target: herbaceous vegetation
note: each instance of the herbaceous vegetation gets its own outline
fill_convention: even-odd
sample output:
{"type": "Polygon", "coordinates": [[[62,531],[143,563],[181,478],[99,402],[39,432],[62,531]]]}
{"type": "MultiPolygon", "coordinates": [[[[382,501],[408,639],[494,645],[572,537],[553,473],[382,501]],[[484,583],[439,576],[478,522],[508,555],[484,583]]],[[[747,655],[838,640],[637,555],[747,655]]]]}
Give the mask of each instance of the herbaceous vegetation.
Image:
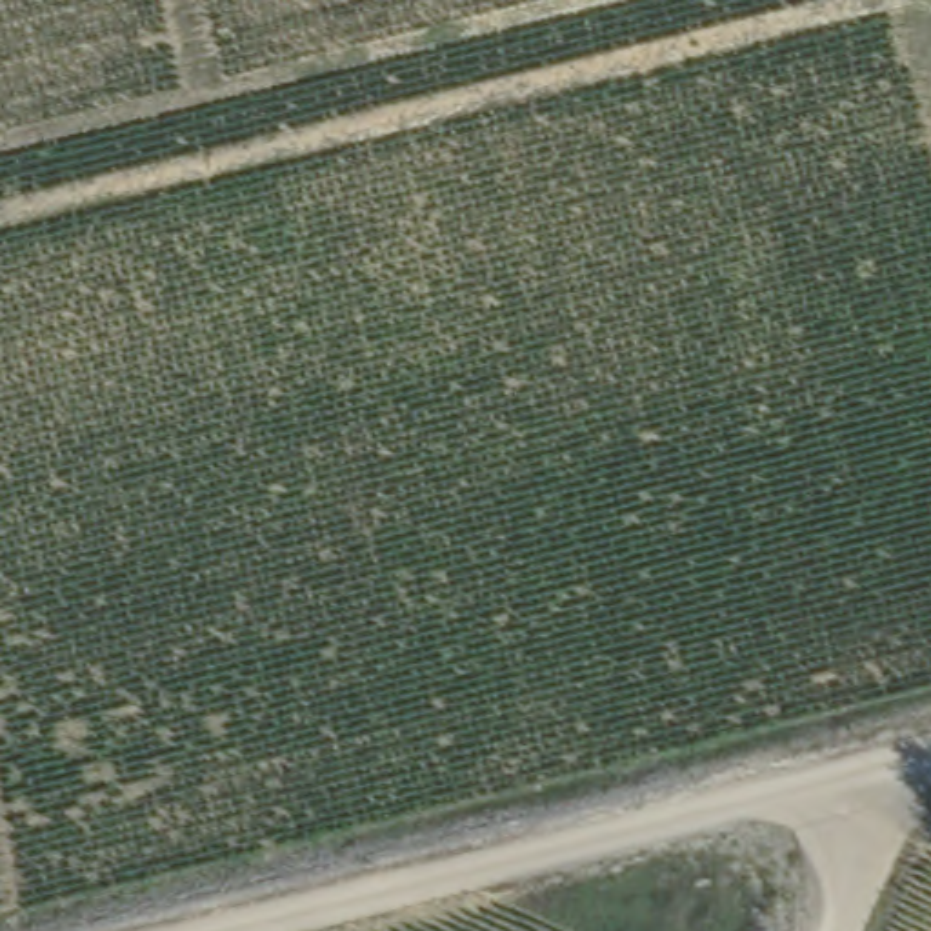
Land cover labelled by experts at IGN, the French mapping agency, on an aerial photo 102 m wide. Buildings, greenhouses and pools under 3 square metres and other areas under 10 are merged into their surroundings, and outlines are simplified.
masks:
{"type": "Polygon", "coordinates": [[[931,153],[931,0],[862,0],[866,15],[887,15],[891,47],[898,65],[909,69],[924,145],[931,153]]]}
{"type": "Polygon", "coordinates": [[[931,702],[898,709],[891,716],[862,720],[855,727],[826,731],[807,742],[789,742],[782,749],[786,756],[800,753],[844,760],[866,749],[931,749],[931,702]]]}

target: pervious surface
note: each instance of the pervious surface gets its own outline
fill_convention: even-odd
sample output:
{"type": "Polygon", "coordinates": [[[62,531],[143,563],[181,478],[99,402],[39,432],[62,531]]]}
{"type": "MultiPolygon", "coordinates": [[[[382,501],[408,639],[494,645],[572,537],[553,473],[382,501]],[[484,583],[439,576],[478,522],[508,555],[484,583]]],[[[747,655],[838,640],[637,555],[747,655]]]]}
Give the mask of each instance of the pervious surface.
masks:
{"type": "Polygon", "coordinates": [[[786,756],[782,749],[749,753],[716,767],[662,775],[647,786],[611,793],[622,807],[636,811],[647,804],[647,789],[676,793],[684,782],[698,782],[702,789],[731,789],[771,775],[793,775],[807,764],[800,753],[786,756]]]}
{"type": "Polygon", "coordinates": [[[466,818],[433,833],[411,833],[396,840],[396,851],[378,855],[371,866],[338,858],[335,869],[324,869],[316,876],[273,880],[262,887],[131,913],[105,924],[76,924],[69,931],[160,931],[229,909],[338,887],[371,873],[396,873],[458,855],[476,855],[527,840],[535,833],[560,833],[567,826],[578,826],[578,815],[567,804],[513,807],[498,815],[466,818]]]}

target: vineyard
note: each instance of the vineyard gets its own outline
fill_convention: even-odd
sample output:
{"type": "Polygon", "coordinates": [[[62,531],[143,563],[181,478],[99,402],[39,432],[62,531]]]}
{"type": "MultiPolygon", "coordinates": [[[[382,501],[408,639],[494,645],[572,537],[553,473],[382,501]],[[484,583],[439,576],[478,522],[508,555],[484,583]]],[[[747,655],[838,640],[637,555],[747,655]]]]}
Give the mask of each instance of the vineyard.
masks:
{"type": "Polygon", "coordinates": [[[869,913],[866,931],[931,931],[931,840],[924,822],[906,836],[891,866],[891,876],[869,913]]]}
{"type": "Polygon", "coordinates": [[[0,931],[69,931],[76,924],[105,924],[131,913],[262,887],[273,880],[316,876],[324,869],[335,869],[338,858],[371,866],[378,855],[396,851],[396,840],[411,833],[433,833],[466,818],[498,815],[513,807],[567,804],[611,793],[647,786],[662,775],[716,767],[749,753],[782,749],[789,742],[807,742],[826,731],[855,727],[862,720],[891,716],[898,709],[931,702],[931,153],[924,145],[909,69],[898,65],[891,47],[887,15],[866,15],[862,0],[0,0],[0,931]]]}
{"type": "Polygon", "coordinates": [[[822,920],[822,884],[800,851],[796,833],[778,822],[738,818],[724,829],[676,836],[666,851],[644,847],[629,855],[586,858],[571,869],[542,869],[531,876],[513,876],[309,931],[815,931],[822,920]]]}

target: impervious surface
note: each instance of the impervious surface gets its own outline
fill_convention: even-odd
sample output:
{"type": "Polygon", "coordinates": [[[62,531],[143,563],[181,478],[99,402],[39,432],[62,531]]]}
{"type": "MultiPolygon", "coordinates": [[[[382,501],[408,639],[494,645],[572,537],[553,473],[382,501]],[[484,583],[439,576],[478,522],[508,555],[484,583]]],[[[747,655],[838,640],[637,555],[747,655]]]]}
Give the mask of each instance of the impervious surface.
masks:
{"type": "Polygon", "coordinates": [[[684,782],[676,793],[647,789],[647,804],[636,811],[622,807],[611,793],[567,804],[578,815],[578,826],[567,826],[560,833],[535,833],[527,840],[476,855],[458,855],[396,873],[371,873],[338,887],[229,909],[160,931],[309,931],[513,876],[531,876],[542,869],[571,869],[586,858],[629,855],[644,847],[666,851],[676,836],[724,829],[738,818],[778,822],[796,833],[800,851],[822,884],[822,920],[815,931],[866,931],[869,913],[891,876],[891,866],[906,836],[924,822],[931,840],[931,749],[866,749],[844,760],[800,753],[807,764],[793,775],[771,775],[731,789],[702,789],[698,782],[684,782]]]}

